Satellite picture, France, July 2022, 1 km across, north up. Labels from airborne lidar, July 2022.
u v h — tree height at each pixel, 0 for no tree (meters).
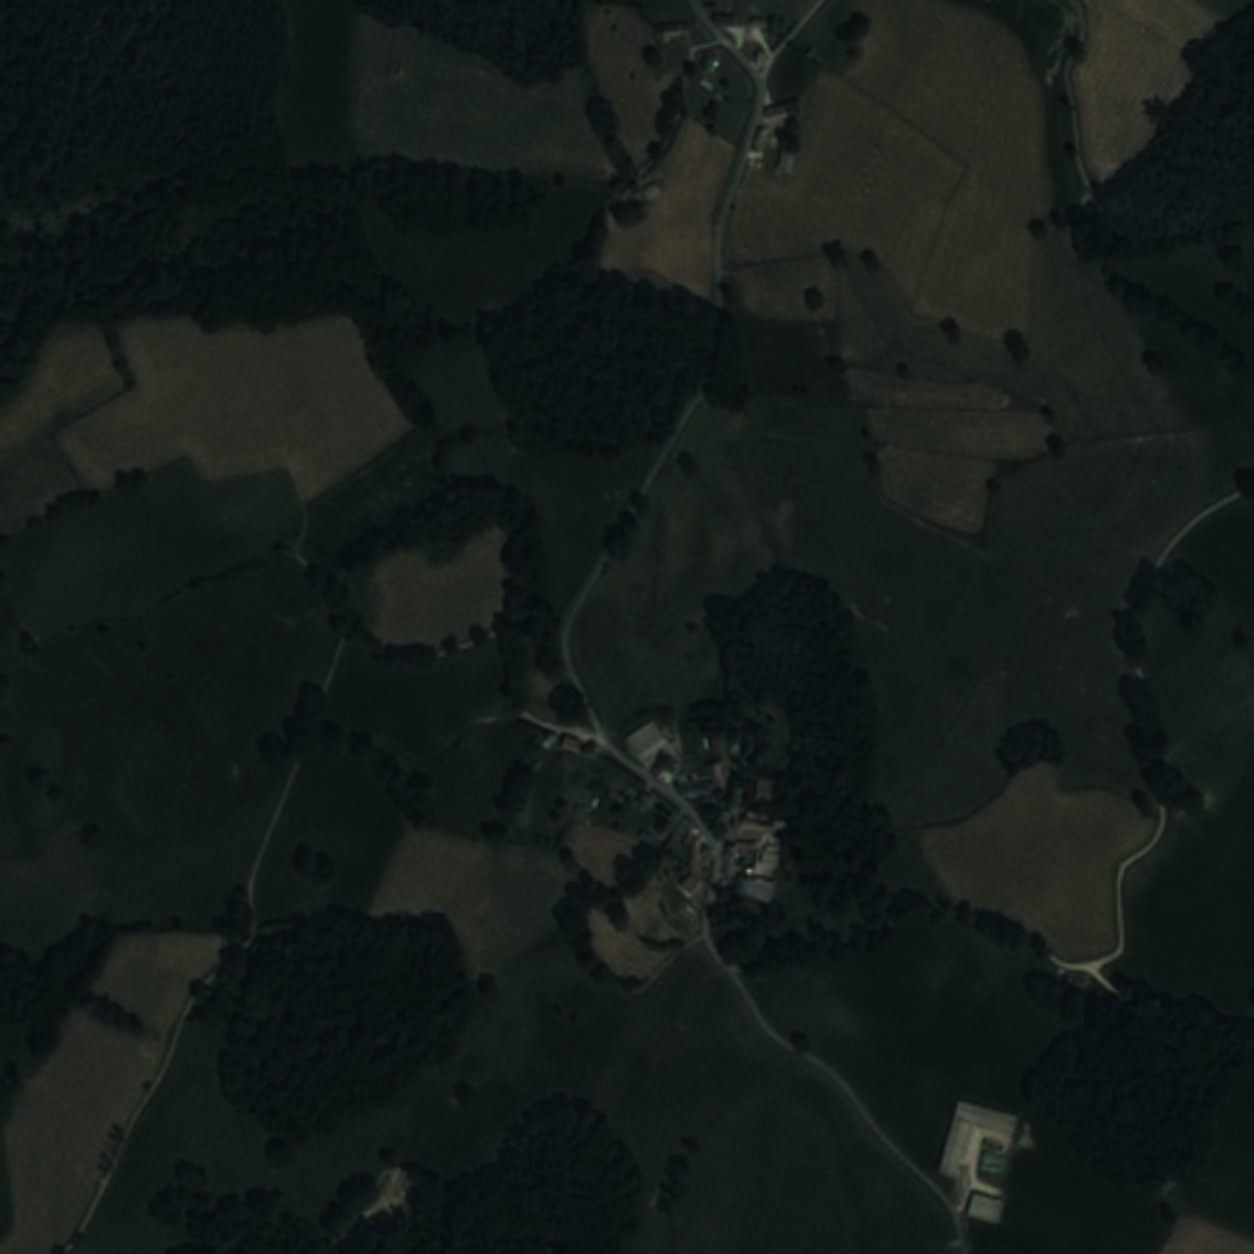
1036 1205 0
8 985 16
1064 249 0
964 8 0
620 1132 0
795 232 0
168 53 24
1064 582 0
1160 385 0
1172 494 0
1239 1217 0
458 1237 22
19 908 0
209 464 0
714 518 0
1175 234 11
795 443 0
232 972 17
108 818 0
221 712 0
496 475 0
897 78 0
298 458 0
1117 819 0
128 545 0
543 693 0
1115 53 0
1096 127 0
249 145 30
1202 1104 26
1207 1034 32
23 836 0
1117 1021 31
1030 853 0
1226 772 0
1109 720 0
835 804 27
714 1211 0
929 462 0
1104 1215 0
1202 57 19
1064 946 0
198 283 31
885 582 0
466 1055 0
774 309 0
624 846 0
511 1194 22
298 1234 12
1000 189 0
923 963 0
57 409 0
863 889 24
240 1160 0
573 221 0
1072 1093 23
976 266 0
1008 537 0
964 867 0
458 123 0
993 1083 0
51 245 21
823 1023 0
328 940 25
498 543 0
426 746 0
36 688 0
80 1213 0
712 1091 0
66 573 0
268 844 0
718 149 0
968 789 0
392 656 18
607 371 21
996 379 0
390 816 0
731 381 24
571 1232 21
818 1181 0
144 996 0
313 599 0
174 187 17
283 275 30
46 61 27
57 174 32
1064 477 0
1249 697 0
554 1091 0
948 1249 0
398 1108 0
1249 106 22
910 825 0
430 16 14
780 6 0
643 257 0
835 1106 0
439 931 27
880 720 25
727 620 26
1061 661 0
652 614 0
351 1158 0
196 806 0
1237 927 0
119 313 22
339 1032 24
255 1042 23
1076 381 0
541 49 24
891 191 0
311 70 0
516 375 21
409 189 26
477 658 0
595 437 12
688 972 0
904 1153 0
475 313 0
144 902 0
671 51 0
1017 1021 0
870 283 0
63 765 0
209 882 0
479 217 29
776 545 0
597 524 0
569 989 0
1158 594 22
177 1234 0
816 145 0
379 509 0
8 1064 0
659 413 17
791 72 0
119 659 0
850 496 0
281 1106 27
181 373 0
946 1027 0
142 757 0
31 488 0
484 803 0
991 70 0
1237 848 0
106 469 0
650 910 0
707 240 0
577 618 0
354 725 0
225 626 0
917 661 0
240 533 0
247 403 0
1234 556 0
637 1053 0
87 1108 0
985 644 0
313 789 0
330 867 19
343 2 0
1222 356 18
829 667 24
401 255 0
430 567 0
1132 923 0
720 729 15
